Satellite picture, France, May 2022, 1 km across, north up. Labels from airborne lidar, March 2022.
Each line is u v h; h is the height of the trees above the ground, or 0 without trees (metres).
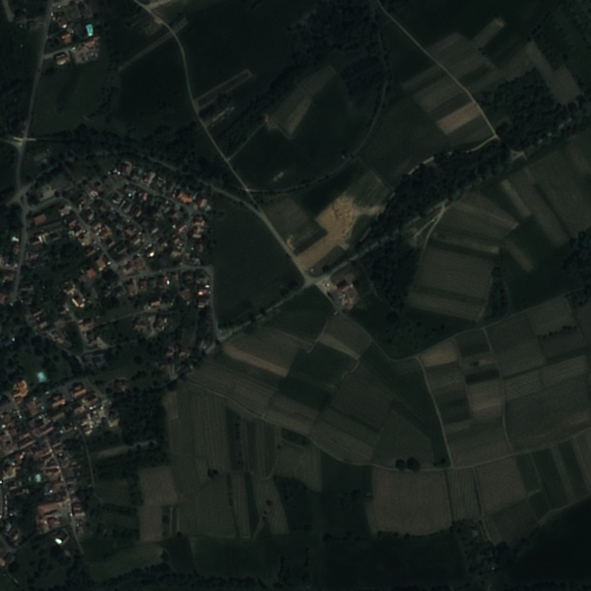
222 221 0
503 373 0
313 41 14
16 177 0
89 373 10
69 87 0
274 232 0
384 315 0
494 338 0
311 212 0
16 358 8
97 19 10
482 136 0
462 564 0
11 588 0
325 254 0
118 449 0
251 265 0
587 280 7
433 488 0
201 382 0
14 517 15
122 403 6
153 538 0
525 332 0
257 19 0
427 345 0
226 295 0
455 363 0
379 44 12
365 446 0
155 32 0
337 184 0
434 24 0
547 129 14
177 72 0
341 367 0
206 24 0
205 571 0
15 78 0
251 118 6
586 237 17
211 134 0
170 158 10
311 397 0
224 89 0
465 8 0
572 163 0
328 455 0
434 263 0
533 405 0
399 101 0
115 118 0
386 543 0
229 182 17
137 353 0
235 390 0
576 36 0
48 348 18
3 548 0
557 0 0
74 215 8
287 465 0
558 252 0
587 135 0
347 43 6
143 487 0
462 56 0
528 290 0
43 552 12
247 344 0
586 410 0
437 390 0
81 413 0
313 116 0
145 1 0
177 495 0
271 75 0
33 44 0
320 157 0
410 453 0
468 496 0
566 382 0
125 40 0
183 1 0
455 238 0
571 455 0
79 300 0
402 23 0
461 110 0
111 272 10
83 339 0
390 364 0
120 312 0
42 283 6
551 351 0
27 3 0
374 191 0
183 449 0
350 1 16
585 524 0
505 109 0
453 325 0
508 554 19
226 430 0
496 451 0
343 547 0
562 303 0
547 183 0
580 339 0
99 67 0
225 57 0
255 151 0
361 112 0
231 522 0
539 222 0
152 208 14
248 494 0
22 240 0
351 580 0
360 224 0
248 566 0
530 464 0
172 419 0
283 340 0
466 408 0
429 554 0
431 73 0
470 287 0
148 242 0
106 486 0
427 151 0
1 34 0
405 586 0
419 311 0
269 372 0
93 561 0
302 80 0
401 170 0
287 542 0
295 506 0
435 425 0
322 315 0
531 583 0
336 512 0
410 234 0
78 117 0
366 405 0
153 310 0
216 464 0
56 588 6
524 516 0
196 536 0
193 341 0
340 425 0
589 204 0
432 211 0
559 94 0
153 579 19
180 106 0
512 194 0
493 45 0
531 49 0
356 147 0
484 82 0
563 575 0
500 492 0
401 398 0
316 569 0
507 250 0
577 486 0
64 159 12
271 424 0
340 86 0
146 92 0
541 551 0
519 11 0
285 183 0
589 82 0
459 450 0
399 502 0
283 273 0
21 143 0
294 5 0
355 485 0
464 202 0
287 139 0
